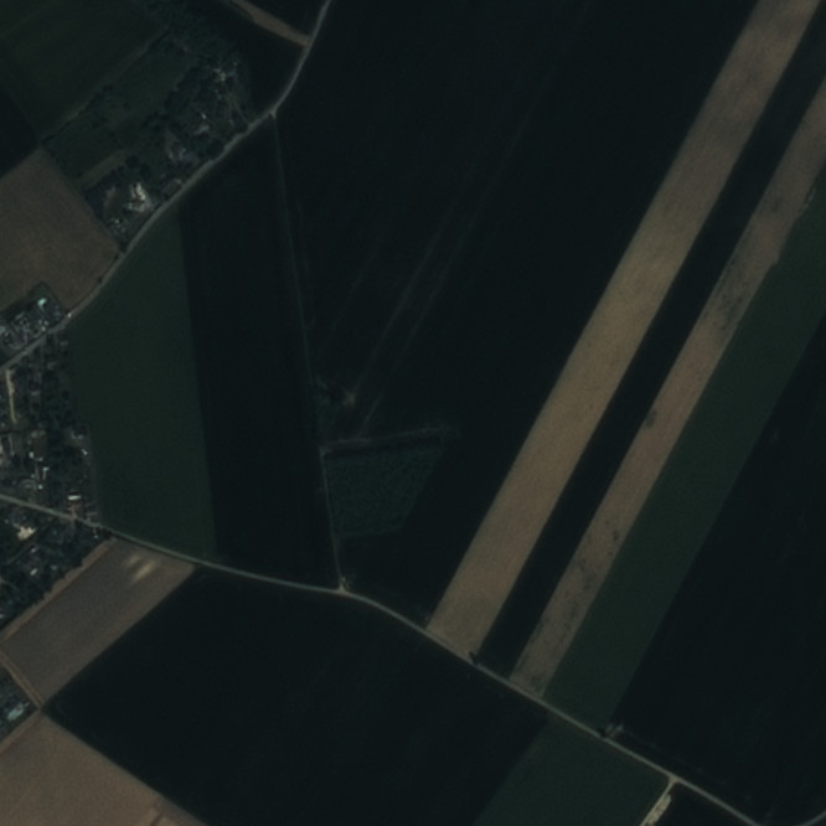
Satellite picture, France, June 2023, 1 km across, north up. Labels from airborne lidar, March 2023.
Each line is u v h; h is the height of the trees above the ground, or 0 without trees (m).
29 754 0
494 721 0
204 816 0
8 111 0
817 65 0
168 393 0
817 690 0
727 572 0
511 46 0
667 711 0
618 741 0
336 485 13
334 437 0
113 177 13
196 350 0
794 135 0
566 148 0
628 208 0
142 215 0
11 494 0
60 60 0
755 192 0
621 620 0
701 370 0
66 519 0
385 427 0
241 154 0
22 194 0
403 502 13
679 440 0
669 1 0
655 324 0
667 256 0
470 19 0
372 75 0
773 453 0
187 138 13
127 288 0
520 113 0
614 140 0
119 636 0
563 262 0
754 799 0
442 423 0
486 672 0
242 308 0
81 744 0
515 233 0
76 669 0
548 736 0
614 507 0
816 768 0
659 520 0
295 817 0
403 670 0
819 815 0
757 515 0
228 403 0
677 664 0
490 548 0
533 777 0
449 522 0
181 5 17
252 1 0
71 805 0
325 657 0
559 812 0
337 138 0
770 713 0
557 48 0
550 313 0
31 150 0
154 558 0
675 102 0
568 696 0
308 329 0
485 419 0
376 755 0
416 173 0
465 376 0
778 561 0
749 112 0
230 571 0
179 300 0
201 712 0
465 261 0
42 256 0
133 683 0
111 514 0
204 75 10
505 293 0
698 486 0
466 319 0
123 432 0
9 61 0
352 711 0
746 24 0
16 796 0
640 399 0
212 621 0
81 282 0
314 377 0
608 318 0
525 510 0
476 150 0
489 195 0
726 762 0
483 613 0
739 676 0
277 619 0
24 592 12
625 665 0
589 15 0
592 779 0
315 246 0
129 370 0
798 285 0
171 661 0
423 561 0
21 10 0
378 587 0
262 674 0
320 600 0
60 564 7
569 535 0
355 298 0
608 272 0
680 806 0
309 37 0
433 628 0
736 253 0
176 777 0
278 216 0
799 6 0
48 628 0
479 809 0
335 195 0
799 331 0
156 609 0
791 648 0
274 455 0
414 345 0
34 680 0
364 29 0
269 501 0
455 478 0
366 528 12
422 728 0
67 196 0
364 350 0
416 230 0
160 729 0
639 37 0
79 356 0
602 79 0
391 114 0
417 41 0
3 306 0
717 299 0
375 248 0
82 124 0
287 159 0
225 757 0
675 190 0
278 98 0
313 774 0
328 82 0
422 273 0
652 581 0
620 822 0
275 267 0
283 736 0
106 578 0
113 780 0
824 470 0
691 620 0
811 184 0
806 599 0
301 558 0
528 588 0
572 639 0
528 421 0
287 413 0
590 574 0
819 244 0
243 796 0
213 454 0
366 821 0
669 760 0
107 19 0
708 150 0
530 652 0
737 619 0
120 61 0
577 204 0
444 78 0
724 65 0
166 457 0
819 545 0
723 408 0
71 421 10
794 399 0
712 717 0
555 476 0
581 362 0
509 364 0
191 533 0
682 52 0
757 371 0
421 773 0
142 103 0
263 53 0
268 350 0
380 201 0
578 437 0
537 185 0
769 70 0
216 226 0
